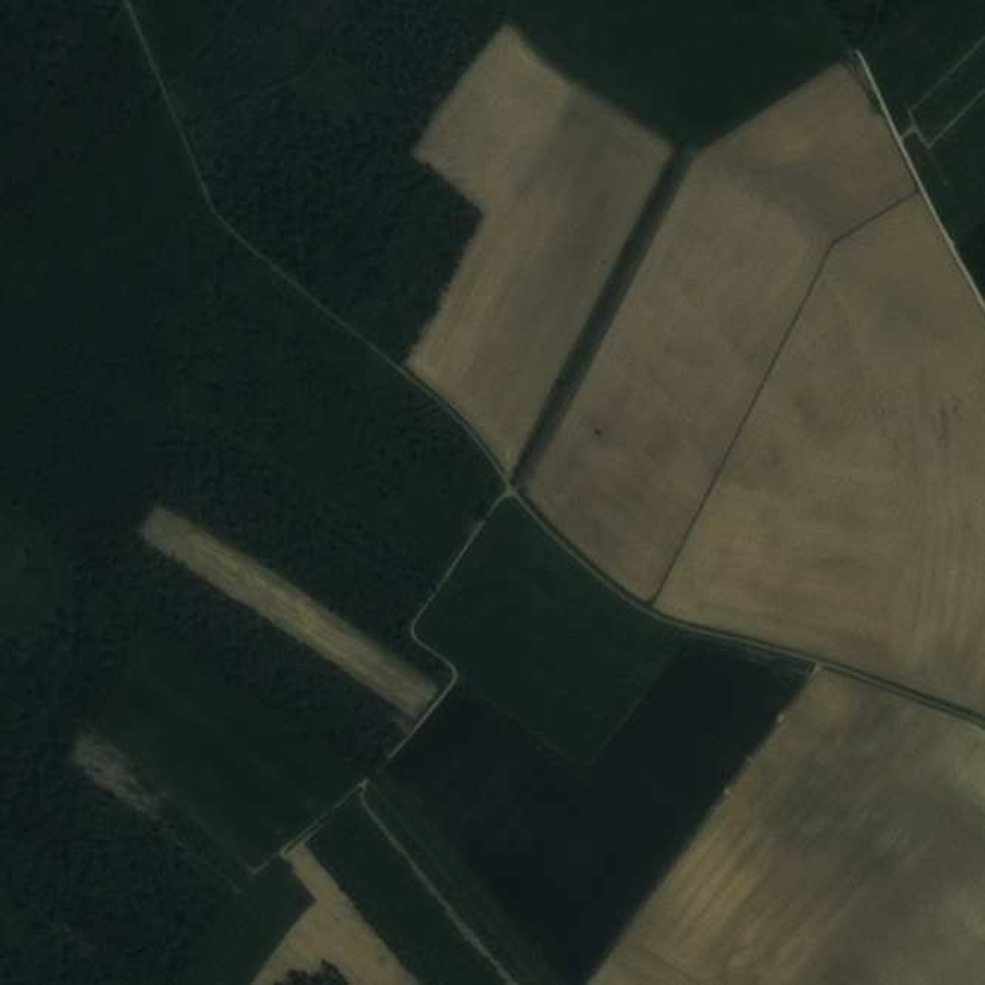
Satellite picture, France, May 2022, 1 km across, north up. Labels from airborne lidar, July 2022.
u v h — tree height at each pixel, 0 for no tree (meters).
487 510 16
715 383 0
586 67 0
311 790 0
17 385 14
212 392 8
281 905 0
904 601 0
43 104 23
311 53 5
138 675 0
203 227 18
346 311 13
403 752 0
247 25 7
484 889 0
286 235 24
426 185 20
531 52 0
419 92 7
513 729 0
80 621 20
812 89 0
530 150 0
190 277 16
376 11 16
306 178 24
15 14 25
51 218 17
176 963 20
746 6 0
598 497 0
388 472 6
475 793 0
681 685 0
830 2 20
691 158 0
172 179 17
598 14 0
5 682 24
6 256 17
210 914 15
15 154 19
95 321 16
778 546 0
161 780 0
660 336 0
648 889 0
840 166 0
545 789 0
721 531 0
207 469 20
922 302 0
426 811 0
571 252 0
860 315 0
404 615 7
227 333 9
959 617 0
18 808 27
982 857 0
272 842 0
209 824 0
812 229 0
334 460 7
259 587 0
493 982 5
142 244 16
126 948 24
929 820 0
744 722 0
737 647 0
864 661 0
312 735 23
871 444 0
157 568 28
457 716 0
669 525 0
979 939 0
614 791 0
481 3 14
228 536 7
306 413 11
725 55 0
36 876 24
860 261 0
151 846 19
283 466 10
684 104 0
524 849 0
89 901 28
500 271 0
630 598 0
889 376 0
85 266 15
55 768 25
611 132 0
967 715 0
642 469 0
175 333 18
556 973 0
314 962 0
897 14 19
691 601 0
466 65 23
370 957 0
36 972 27
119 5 23
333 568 17
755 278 0
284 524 17
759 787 0
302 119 24
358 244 7
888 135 0
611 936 0
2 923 22
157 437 16
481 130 0
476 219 19
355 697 21
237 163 19
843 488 0
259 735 0
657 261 0
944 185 0
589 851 0
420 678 0
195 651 16
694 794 0
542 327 0
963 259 0
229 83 9
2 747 17
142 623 24
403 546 9
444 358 0
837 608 0
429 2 24
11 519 0
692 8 0
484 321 0
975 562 0
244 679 21
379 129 21
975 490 0
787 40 0
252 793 0
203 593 14
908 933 0
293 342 17
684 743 0
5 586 0
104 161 16
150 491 19
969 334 0
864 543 0
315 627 0
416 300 23
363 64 23
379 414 19
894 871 0
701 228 0
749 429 0
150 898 21
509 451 0
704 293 0
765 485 0
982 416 0
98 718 15
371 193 8
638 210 0
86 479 19
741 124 0
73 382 15
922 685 0
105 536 19
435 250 21
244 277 19
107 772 0
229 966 0
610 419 0
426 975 6
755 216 0
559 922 0
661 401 0
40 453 16
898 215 0
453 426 13
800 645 0
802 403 0
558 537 0
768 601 0
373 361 20
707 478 0
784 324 0
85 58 21
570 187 0
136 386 15
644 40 0
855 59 0
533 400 0
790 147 0
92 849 16
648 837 0
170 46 7
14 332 16
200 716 0
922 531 0
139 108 17
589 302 0
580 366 0
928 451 0
